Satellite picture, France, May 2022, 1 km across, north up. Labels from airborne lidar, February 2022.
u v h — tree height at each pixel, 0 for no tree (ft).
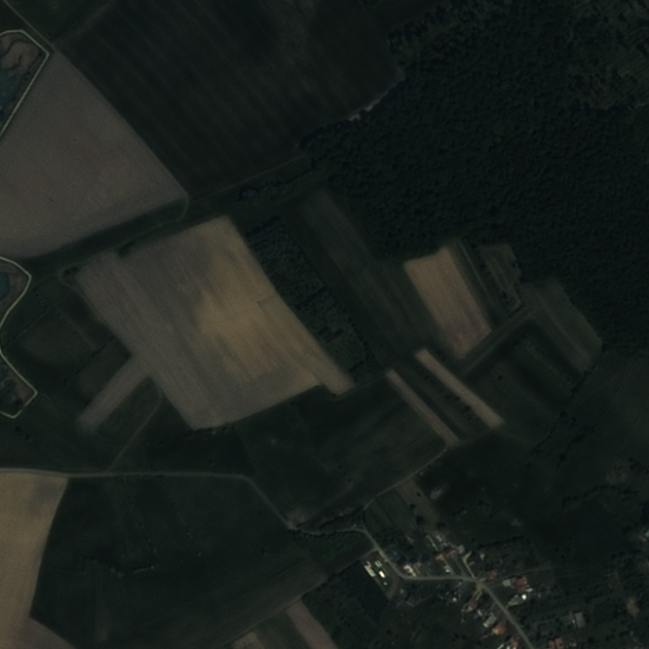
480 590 0
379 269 0
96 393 0
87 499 0
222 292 0
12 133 0
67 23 0
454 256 0
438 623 0
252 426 0
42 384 0
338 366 0
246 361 0
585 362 0
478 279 0
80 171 0
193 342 0
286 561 0
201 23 0
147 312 0
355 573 26
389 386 0
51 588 0
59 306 0
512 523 0
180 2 0
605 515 0
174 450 0
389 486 0
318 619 21
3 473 0
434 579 0
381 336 0
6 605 0
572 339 0
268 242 35
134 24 0
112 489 0
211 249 0
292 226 0
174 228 0
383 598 30
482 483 0
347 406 0
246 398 0
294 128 0
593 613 0
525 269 66
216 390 0
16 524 0
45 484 0
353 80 0
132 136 0
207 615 0
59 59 0
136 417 0
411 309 0
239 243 0
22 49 0
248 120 0
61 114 0
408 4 0
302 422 0
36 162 0
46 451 0
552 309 0
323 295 26
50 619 0
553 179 73
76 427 0
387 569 0
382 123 69
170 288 0
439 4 0
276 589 0
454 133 79
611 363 0
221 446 0
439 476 0
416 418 0
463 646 0
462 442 0
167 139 0
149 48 0
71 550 0
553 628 0
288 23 0
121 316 0
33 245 0
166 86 0
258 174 0
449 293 0
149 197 0
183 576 0
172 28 0
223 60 0
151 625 0
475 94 72
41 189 0
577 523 0
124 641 0
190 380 0
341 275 0
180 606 0
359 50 0
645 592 23
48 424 0
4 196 0
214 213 0
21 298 0
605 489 31
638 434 0
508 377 0
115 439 0
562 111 72
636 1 0
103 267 0
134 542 0
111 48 0
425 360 0
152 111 0
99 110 0
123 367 0
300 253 24
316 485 0
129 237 0
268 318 0
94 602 0
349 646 24
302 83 0
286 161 0
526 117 76
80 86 0
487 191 63
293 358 0
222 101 0
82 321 0
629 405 0
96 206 0
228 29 0
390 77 0
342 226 0
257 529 0
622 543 0
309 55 0
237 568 0
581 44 82
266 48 0
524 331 0
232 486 0
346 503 0
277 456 0
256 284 0
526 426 0
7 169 0
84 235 0
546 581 0
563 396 0
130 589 0
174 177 0
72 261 0
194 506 0
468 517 0
